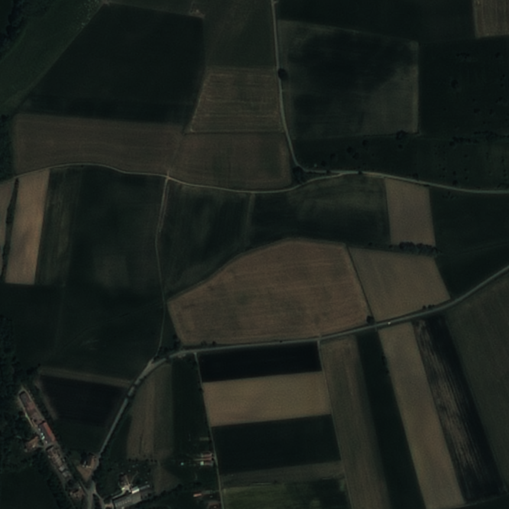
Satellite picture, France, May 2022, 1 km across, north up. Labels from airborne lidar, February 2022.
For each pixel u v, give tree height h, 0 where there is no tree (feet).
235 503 0
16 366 58
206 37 0
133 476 0
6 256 22
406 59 0
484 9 0
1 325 42
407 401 0
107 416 0
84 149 0
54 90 0
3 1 0
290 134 0
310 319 0
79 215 0
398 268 0
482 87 0
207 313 0
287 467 0
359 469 0
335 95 0
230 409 0
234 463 0
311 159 0
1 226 0
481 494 0
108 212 0
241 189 0
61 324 0
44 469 67
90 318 0
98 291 0
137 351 0
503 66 0
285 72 37
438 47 0
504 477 0
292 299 0
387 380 0
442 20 0
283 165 0
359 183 0
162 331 0
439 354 0
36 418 0
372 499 0
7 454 24
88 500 0
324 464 0
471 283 0
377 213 0
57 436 38
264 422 0
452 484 0
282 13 0
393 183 0
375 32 0
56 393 0
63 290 0
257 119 0
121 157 0
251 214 0
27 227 0
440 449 0
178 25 0
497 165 0
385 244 0
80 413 0
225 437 0
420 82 0
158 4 0
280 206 0
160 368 0
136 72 0
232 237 0
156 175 0
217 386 0
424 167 0
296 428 0
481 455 0
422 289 0
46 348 0
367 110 0
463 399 0
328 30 0
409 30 0
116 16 0
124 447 0
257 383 0
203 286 0
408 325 0
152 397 0
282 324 0
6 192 0
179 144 0
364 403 0
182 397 0
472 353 0
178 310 0
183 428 0
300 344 0
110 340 0
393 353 0
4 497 0
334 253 0
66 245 0
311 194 0
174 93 0
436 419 0
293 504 0
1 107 0
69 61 0
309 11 0
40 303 0
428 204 0
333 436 0
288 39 0
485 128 0
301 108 0
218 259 0
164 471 0
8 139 49
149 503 24
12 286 0
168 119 0
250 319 0
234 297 0
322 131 0
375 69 0
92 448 0
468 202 0
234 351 0
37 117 0
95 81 0
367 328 0
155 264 0
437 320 0
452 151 0
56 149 0
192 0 0
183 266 0
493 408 0
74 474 30
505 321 0
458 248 0
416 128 0
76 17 0
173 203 0
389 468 0
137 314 0
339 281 0
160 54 0
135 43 0
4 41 68
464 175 0
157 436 0
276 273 0
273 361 0
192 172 0
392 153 0
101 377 0
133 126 0
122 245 0
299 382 0
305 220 0
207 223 0
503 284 0
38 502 0
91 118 0
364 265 0
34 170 0
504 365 0
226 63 0
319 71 0
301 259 0
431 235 0
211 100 0
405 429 0
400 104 0
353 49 0
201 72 0
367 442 0
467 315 0
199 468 0
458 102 0
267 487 0
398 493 0
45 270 0
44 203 0
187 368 0
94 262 0
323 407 0
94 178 0
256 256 0
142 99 0
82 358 0
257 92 0
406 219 0
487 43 0
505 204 0
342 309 0
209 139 0
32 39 0
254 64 0
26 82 0
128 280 0
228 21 0
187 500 0
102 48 0
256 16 0
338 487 0
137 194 0
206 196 0
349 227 0
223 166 0
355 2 0
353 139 0
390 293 0
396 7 0
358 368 0
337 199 0
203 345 28
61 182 0
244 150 0
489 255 0
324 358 0
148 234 0
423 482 0
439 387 0
